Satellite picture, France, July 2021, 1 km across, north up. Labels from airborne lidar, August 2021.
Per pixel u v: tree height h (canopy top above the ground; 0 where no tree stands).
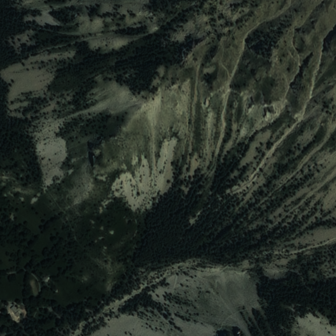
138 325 0
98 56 11
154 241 30
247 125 0
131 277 22
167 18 6
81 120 10
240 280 0
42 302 13
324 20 0
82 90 7
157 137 0
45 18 0
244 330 0
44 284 13
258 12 0
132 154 0
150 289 12
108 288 0
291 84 0
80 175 0
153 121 0
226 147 0
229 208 21
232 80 0
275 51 0
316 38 0
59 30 13
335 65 0
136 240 10
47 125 0
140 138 0
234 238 8
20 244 12
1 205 10
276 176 16
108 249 0
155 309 10
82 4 0
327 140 0
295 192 9
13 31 16
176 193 20
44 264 16
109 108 0
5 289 0
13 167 14
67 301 0
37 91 0
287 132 0
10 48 20
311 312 11
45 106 9
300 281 7
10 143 16
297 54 0
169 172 0
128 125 0
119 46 0
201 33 0
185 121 0
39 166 6
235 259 11
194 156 0
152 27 0
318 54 0
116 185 0
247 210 12
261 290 18
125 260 16
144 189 0
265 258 7
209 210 11
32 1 0
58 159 0
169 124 0
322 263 7
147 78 13
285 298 15
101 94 0
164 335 0
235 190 0
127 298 0
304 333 0
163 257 20
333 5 0
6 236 11
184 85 0
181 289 0
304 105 0
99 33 0
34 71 0
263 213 14
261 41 10
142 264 19
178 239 21
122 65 15
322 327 0
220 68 0
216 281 0
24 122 18
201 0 7
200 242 18
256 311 12
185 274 11
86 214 0
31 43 0
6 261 0
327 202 0
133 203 0
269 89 0
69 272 7
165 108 0
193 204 21
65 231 8
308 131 0
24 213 0
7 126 13
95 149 0
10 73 0
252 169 0
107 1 0
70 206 0
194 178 17
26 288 17
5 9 21
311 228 11
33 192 0
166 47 10
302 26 0
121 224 0
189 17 0
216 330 0
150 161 0
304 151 12
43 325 14
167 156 0
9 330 14
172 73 0
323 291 13
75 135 0
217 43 0
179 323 0
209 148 0
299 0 0
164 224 23
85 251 8
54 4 0
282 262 0
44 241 0
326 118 0
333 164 0
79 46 14
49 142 0
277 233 17
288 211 6
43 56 0
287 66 0
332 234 0
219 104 0
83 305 14
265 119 0
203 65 10
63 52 0
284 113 0
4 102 14
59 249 15
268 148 12
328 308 12
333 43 0
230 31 10
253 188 0
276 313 9
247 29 0
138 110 0
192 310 0
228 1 0
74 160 0
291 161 9
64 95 7
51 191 0
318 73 0
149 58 11
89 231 9
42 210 0
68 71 5
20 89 0
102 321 13
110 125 0
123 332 0
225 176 19
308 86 0
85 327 12
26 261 0
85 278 0
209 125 0
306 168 0
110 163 0
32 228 0
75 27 0
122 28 0
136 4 0
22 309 0
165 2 9
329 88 0
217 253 19
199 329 0
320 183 0
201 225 19
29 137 14
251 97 0
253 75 0
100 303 14
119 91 0
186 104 0
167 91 0
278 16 0
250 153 0
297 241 0
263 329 8
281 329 8
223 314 0
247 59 0
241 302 0
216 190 12
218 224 13
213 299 0
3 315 16
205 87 0
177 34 0
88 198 0
